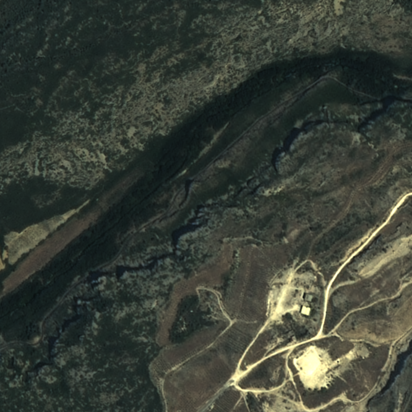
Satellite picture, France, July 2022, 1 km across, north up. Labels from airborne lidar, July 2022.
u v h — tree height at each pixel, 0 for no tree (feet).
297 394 0
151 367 0
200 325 36
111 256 26
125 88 0
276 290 0
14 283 0
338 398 0
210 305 0
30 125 0
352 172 0
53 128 0
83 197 0
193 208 0
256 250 0
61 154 0
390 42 0
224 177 0
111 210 31
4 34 47
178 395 0
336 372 0
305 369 0
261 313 0
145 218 22
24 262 0
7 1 28
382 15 0
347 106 0
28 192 0
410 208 0
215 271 0
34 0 46
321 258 0
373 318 0
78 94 0
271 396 0
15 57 19
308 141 0
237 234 0
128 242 0
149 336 0
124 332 0
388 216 0
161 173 51
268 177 0
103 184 18
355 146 0
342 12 0
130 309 0
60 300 0
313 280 0
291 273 0
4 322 28
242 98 48
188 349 0
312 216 0
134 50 0
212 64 0
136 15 0
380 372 0
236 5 0
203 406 0
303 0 0
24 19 33
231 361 0
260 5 0
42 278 23
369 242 0
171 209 0
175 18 0
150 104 20
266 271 0
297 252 0
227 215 0
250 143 0
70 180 0
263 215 0
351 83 51
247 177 0
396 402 0
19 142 0
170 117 0
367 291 0
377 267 0
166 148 41
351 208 0
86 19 0
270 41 0
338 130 0
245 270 0
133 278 0
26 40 0
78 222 0
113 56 0
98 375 0
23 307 36
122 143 18
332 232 0
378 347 0
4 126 0
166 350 0
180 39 0
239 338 0
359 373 0
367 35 0
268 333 0
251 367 0
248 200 0
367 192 0
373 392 0
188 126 36
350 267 0
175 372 0
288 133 21
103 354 0
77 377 0
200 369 0
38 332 30
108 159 19
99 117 0
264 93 34
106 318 0
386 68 28
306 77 47
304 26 0
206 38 0
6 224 0
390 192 0
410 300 0
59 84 0
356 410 0
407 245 0
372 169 0
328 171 0
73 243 18
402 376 0
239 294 0
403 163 0
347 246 0
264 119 0
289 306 0
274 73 70
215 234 0
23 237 0
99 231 62
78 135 0
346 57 29
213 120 51
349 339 0
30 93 0
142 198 32
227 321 0
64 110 0
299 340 0
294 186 0
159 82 0
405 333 0
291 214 0
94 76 0
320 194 0
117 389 0
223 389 0
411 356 0
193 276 0
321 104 0
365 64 50
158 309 0
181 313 27
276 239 0
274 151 0
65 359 0
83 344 0
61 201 0
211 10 0
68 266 35
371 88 23
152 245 0
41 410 0
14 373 27
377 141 0
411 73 46
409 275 0
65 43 0
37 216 0
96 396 0
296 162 0
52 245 0
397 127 0
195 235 0
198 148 30
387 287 0
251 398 29
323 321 0
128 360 0
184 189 0
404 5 39
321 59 50
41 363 18
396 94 30
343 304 0
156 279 0
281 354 0
